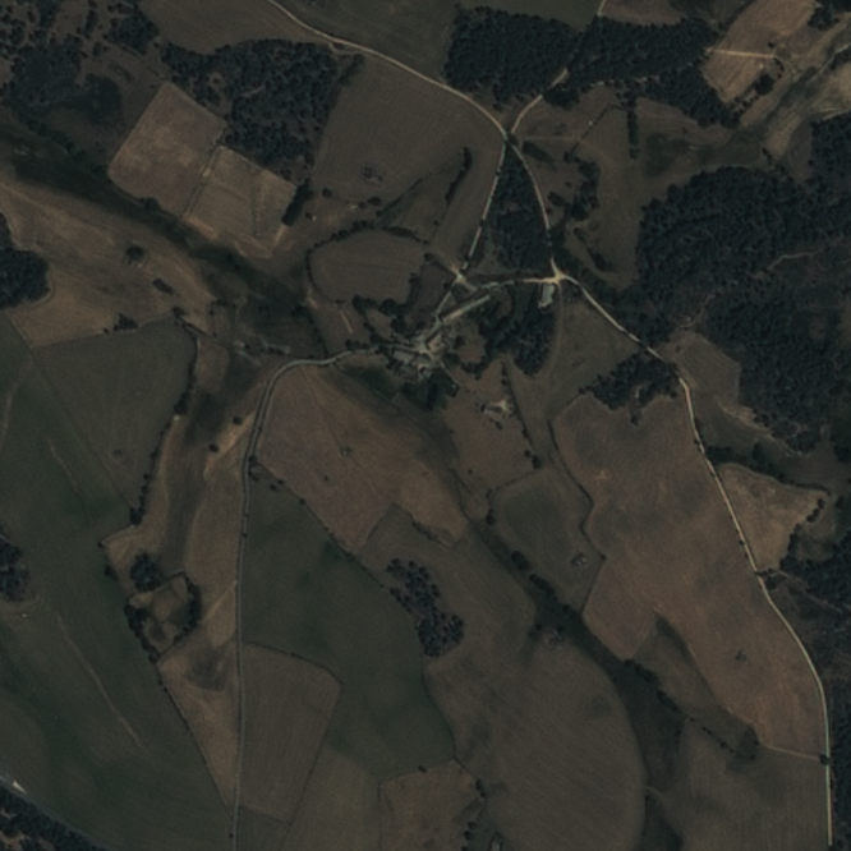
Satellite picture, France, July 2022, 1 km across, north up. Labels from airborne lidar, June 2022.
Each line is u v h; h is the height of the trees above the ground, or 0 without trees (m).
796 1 0
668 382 10
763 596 0
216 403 0
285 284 0
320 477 0
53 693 0
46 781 0
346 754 0
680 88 15
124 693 0
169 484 0
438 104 0
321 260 0
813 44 0
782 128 0
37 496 0
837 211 16
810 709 0
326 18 0
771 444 0
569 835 0
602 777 0
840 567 16
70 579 0
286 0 0
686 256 16
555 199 12
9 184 0
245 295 0
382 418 0
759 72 0
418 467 0
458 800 0
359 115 0
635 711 0
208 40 0
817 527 0
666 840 0
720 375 0
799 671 0
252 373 0
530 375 9
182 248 0
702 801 0
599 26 11
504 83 11
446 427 0
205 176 0
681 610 0
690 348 0
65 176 0
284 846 0
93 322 0
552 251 11
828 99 0
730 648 0
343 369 0
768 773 0
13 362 0
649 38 15
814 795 0
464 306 0
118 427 0
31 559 0
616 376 9
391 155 0
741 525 0
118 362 0
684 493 0
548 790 0
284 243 0
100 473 0
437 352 0
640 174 0
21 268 15
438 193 0
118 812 0
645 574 0
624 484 0
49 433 0
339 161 0
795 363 17
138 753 0
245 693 0
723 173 15
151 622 0
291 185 0
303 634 0
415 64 0
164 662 0
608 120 0
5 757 0
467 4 0
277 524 0
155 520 0
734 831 0
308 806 0
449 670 0
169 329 0
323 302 0
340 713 0
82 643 0
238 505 0
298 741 0
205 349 0
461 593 0
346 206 0
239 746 0
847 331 0
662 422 0
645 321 16
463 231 0
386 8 0
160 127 0
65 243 0
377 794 0
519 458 0
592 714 0
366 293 0
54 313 0
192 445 0
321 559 0
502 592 0
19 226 0
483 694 0
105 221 0
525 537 0
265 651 0
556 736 0
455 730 0
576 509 0
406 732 0
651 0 0
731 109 7
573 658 0
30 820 22
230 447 0
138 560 7
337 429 0
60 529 0
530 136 0
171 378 0
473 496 0
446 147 0
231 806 0
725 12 0
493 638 0
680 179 0
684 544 0
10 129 0
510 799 0
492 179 0
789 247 17
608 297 10
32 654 0
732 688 0
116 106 0
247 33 0
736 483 0
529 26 15
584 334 0
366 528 0
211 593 0
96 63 0
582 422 0
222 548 0
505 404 0
